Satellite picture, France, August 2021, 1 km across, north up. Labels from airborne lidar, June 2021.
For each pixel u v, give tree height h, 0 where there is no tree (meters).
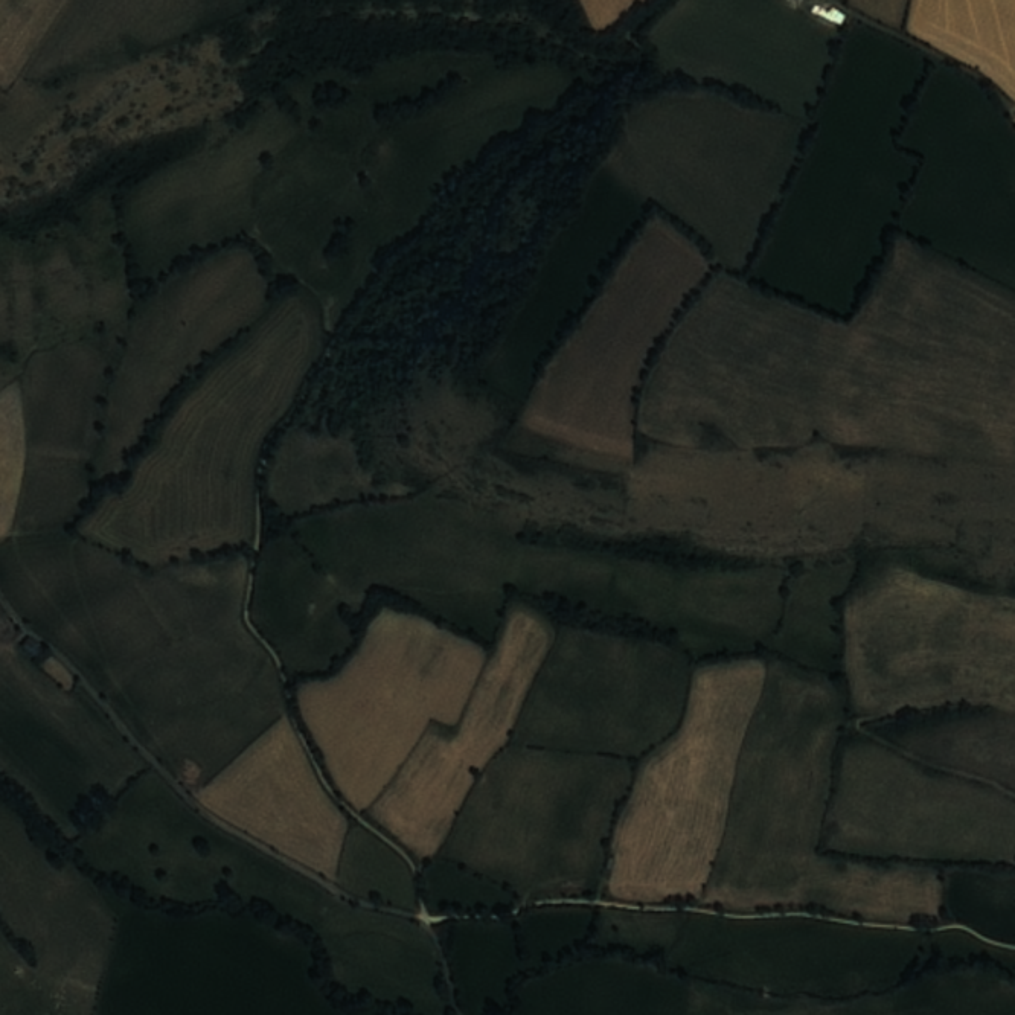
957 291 0
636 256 0
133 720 0
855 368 0
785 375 0
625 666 0
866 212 0
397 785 0
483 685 0
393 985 0
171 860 0
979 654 0
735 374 0
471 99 0
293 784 0
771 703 0
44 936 0
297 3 12
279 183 0
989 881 0
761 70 0
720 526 0
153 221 0
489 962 0
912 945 0
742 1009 0
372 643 0
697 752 0
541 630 0
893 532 0
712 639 0
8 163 0
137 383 0
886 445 0
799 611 0
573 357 0
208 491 0
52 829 32
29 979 0
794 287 0
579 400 0
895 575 0
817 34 0
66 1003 0
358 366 8
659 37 0
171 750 0
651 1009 0
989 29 0
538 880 0
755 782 0
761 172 0
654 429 0
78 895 0
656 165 0
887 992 0
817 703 0
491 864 0
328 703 0
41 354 0
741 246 0
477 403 0
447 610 0
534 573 0
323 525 0
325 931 0
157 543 0
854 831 0
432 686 0
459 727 0
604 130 21
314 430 7
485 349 14
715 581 0
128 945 0
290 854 0
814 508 0
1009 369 0
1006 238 0
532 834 0
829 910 8
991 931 0
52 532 0
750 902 0
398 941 0
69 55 0
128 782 7
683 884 0
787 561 8
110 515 0
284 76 12
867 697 0
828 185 0
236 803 0
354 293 0
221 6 0
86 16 0
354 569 0
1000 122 0
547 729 0
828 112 0
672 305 0
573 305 0
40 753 0
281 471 0
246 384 0
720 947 0
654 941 0
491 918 14
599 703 0
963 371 0
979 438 0
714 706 0
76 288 0
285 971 0
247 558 11
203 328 0
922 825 0
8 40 0
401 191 0
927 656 0
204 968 0
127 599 0
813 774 0
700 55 0
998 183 0
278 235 0
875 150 0
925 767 0
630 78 17
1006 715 0
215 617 0
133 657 0
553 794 0
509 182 12
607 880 0
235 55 7
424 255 10
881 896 0
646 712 0
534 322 0
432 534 0
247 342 0
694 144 0
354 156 0
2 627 0
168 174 0
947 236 0
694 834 0
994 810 0
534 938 0
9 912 0
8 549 0
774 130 0
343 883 0
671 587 0
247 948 0
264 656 0
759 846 0
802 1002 0
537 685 0
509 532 0
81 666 0
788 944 0
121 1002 0
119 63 0
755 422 0
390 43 14
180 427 0
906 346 0
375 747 0
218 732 0
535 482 0
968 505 0
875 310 0
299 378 0
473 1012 0
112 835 0
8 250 0
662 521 0
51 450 0
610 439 0
